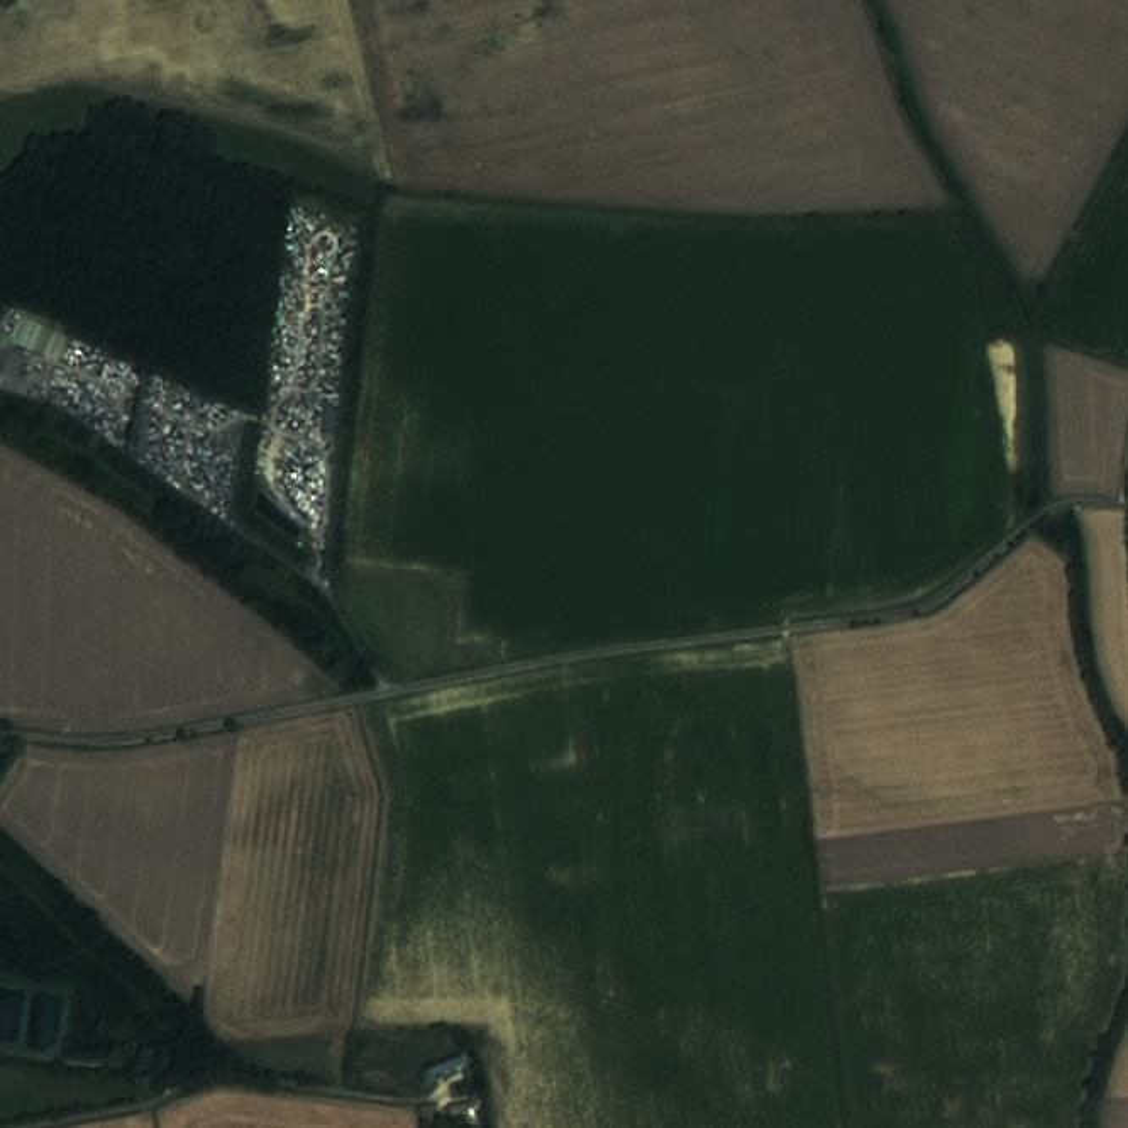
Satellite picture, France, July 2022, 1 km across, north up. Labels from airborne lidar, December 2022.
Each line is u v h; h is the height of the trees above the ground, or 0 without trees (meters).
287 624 8
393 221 0
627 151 0
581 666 0
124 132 23
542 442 0
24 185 24
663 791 0
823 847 0
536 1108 0
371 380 0
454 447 0
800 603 0
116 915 0
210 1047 15
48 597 0
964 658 0
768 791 0
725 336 0
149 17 0
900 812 0
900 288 0
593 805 0
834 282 0
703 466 0
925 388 0
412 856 0
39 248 26
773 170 0
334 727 0
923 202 0
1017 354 0
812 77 0
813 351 0
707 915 0
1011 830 0
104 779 0
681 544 0
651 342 0
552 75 0
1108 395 0
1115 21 0
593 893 0
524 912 0
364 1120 0
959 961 0
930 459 0
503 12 0
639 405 0
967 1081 0
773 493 0
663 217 0
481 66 0
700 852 0
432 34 0
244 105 0
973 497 0
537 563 0
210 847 0
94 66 0
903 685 0
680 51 0
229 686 0
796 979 0
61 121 0
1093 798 0
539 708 0
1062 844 0
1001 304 0
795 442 0
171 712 0
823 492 0
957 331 0
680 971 0
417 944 0
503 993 0
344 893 0
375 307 0
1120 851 0
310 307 0
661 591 0
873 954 0
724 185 0
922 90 0
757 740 0
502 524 0
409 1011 0
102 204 26
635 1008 0
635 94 0
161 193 24
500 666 0
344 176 0
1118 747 11
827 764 0
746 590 0
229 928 0
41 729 0
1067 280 0
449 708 0
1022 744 0
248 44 0
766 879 0
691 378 0
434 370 0
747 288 0
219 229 22
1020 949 0
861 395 0
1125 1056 0
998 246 0
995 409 0
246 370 18
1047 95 0
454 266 0
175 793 0
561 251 0
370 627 0
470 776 0
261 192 16
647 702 0
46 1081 0
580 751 0
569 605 0
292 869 0
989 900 0
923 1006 0
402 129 0
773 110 0
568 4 0
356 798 0
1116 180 0
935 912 0
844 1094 0
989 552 0
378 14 0
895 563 0
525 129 0
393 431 0
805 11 0
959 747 0
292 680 0
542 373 0
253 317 19
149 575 0
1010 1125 0
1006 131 0
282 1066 0
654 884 0
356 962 0
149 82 0
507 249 0
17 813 0
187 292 24
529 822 0
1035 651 0
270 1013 0
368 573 0
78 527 0
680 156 0
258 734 0
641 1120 0
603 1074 0
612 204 0
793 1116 0
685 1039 0
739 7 0
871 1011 0
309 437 0
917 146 0
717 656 0
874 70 0
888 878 0
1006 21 0
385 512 0
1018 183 0
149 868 0
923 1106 0
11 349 0
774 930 0
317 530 0
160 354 19
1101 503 0
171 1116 0
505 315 0
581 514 0
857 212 0
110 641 0
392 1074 0
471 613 0
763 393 0
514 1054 0
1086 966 0
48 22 0
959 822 0
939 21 0
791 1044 0
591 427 0
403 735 0
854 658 0
